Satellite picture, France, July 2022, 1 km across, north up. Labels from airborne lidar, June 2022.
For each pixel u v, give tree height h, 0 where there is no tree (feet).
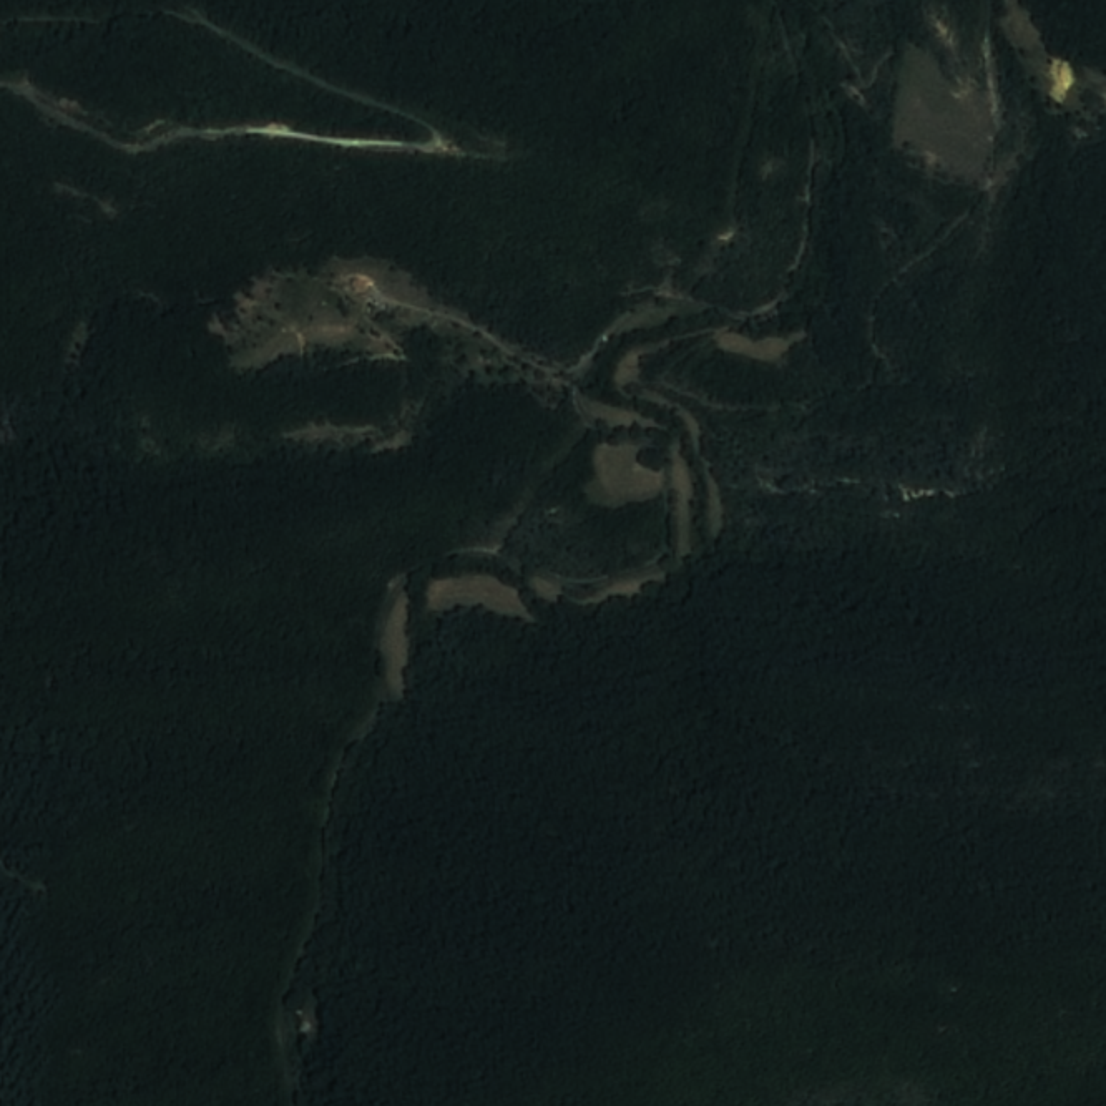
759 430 29
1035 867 43
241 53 41
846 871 34
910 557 41
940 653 34
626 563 30
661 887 49
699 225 28
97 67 32
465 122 36
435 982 47
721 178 51
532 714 42
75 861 37
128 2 44
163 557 28
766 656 31
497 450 48
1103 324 31
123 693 53
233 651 68
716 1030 34
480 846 38
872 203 28
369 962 46
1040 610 44
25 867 65
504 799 75
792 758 44
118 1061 45
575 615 80
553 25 51
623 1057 47
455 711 47
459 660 41
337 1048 57
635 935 47
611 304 30
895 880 48
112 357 50
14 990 65
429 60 43
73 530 56
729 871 50
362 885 57
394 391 28
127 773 38
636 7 55
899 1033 38
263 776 55
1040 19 40
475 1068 40
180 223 34
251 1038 19
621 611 36
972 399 27
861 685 22
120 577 40
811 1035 39
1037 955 35
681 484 0
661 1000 41
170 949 54
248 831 64
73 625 59
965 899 50
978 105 0
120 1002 52
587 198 43
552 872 50
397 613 0
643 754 53
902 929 41
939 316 24
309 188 31
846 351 42
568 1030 29
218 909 55
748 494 25
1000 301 45
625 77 41
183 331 65
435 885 55
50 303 38
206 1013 46
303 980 61
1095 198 32
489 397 41
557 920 50
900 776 31
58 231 32
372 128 23
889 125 24
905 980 35
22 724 64
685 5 40
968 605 38
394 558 43
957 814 38
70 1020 43
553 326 31
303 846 24
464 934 53
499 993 54
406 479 53
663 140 45
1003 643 42
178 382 53
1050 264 47
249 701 32
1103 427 38
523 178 41
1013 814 41
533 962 40
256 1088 60
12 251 45
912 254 24
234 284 54
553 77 39
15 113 30
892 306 25
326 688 43
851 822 41
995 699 28
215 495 56
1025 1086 36
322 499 36
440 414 35
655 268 20
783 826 48
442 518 41
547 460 22
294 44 59
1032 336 52
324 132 26
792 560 53
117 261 37
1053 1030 29
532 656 34
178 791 65
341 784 37
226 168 35
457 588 0
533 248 25
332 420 25
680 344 23
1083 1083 41
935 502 28
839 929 51
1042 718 30
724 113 24
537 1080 39
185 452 25
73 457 65
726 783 60
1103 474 33
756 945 35
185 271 37
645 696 28
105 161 19
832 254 41
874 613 54
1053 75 0
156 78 45
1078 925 45
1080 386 34
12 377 44
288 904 36
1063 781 21
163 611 28
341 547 33
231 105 35
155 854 50
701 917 40
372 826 45
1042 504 29
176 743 60
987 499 30
